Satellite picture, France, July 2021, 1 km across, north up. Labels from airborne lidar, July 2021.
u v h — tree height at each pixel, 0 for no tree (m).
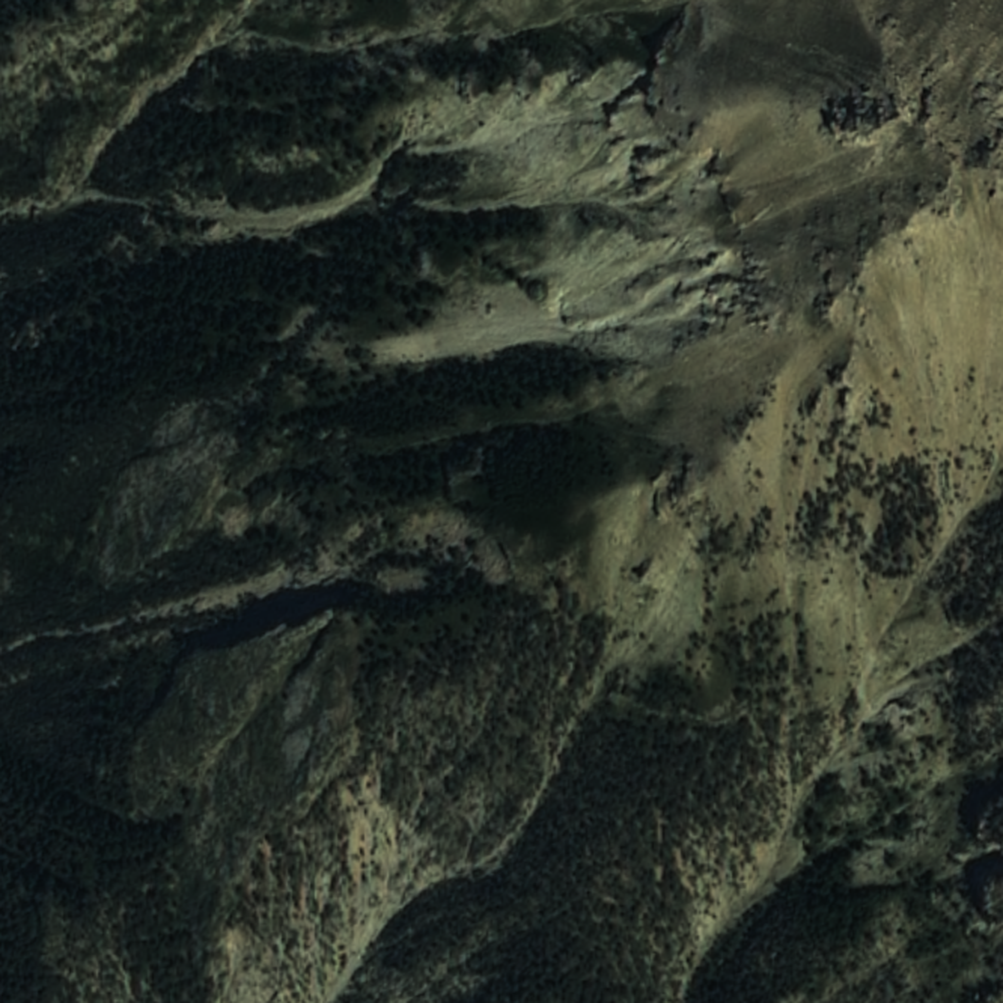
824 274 0
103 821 20
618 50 0
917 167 0
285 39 0
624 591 0
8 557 6
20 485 6
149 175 9
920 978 0
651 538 0
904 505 10
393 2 0
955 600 9
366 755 9
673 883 12
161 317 22
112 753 11
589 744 7
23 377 9
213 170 13
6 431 6
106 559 0
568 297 0
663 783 14
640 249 0
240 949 0
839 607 0
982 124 0
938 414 0
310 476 7
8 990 10
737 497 0
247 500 32
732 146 0
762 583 0
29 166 7
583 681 10
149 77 0
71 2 8
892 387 0
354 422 9
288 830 6
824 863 18
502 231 14
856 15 0
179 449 0
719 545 9
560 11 0
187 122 19
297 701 0
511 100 0
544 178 0
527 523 0
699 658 0
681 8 0
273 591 0
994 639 8
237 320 16
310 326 7
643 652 0
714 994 9
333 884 7
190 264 21
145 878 15
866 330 0
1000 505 8
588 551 0
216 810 0
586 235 0
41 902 6
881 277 0
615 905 12
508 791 7
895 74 0
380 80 7
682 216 0
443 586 10
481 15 0
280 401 0
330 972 0
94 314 16
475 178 0
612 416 0
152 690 0
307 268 14
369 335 0
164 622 6
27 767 9
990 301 0
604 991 14
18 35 0
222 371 13
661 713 6
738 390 0
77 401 10
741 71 0
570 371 13
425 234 10
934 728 0
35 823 15
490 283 0
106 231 10
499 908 7
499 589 8
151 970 7
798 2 0
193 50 0
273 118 12
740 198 0
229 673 0
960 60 0
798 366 0
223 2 0
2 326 8
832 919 8
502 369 15
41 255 6
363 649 11
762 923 11
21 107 7
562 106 0
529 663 12
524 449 20
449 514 0
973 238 0
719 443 0
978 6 0
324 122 7
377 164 0
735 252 0
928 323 0
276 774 0
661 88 0
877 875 0
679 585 0
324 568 0
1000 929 0
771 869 0
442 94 0
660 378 0
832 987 0
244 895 11
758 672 10
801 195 0
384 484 12
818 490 7
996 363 0
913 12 0
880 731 9
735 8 0
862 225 0
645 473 0
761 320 0
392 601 13
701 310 0
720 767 7
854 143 0
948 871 0
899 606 0
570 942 6
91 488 7
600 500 0
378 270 12
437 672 8
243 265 17
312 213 0
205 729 0
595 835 7
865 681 0
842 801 0
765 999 10
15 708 6
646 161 0
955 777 0
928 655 0
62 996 11
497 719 6
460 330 0
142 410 8
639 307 0
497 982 8
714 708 0
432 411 8
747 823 6
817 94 0
